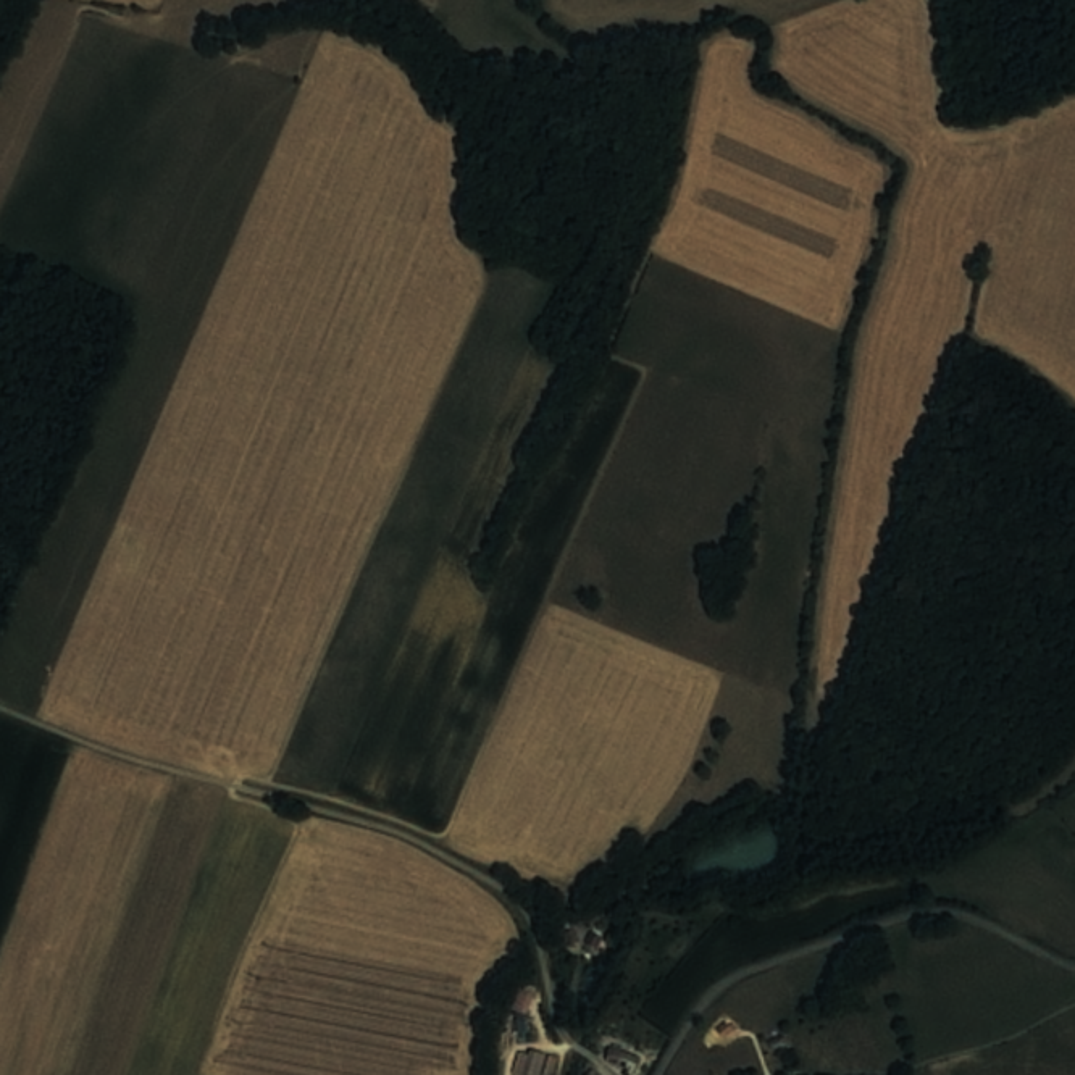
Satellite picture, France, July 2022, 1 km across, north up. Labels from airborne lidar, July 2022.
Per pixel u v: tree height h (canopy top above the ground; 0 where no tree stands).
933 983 0
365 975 0
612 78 23
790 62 0
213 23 17
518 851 0
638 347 0
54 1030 0
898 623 18
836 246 0
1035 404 21
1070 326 0
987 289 0
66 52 0
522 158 19
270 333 0
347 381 0
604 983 23
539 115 18
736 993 0
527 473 16
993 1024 0
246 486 0
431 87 20
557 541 0
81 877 0
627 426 0
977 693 22
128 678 0
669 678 0
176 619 0
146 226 0
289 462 0
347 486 0
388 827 0
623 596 0
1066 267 0
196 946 0
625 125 18
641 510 0
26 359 24
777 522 0
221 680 0
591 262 16
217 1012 0
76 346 24
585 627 0
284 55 0
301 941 0
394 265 0
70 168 0
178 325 0
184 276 0
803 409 0
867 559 0
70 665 0
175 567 0
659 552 0
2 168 0
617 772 0
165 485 0
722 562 20
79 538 0
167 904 0
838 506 0
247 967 0
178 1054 0
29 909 0
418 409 0
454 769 0
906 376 0
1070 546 25
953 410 9
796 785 26
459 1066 0
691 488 0
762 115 0
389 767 0
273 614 0
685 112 18
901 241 0
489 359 0
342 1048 0
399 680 0
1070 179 0
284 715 0
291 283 0
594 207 19
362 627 0
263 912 0
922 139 0
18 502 26
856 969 22
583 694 0
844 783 19
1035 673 20
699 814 22
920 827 24
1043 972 0
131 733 0
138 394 0
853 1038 0
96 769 0
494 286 0
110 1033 0
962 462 21
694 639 0
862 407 0
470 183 21
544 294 0
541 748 0
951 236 0
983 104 24
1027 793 18
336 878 0
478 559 9
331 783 0
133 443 0
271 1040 0
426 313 0
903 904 6
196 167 0
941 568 20
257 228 0
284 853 0
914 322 0
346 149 0
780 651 0
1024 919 0
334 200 0
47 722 0
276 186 0
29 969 0
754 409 0
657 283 0
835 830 21
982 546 23
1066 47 20
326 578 0
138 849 0
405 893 0
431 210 0
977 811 18
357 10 18
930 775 19
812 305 0
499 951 0
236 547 0
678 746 0
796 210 0
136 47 0
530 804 0
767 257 0
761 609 0
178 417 0
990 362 18
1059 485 23
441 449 0
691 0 0
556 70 21
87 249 0
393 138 0
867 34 0
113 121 0
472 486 0
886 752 17
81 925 0
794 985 0
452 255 0
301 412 0
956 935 8
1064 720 24
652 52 26
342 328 0
